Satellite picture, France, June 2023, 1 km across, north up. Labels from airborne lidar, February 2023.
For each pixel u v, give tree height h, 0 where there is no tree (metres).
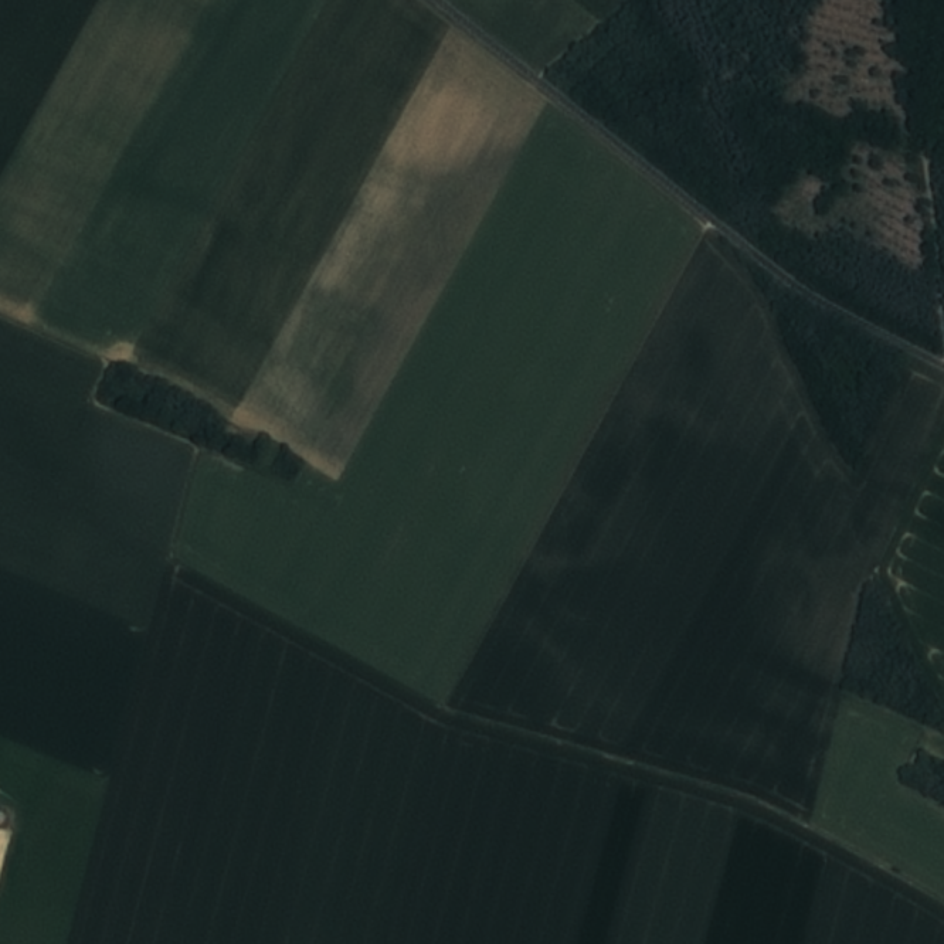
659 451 0
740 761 0
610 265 0
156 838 0
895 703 15
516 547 0
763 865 0
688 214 0
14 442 0
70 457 0
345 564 0
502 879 0
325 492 0
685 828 0
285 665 0
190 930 0
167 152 0
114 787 0
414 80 0
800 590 0
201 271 0
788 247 18
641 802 0
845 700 0
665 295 0
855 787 0
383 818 0
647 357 0
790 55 20
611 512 0
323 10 0
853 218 15
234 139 0
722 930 0
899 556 0
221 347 0
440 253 0
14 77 0
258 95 0
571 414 0
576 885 0
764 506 0
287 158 0
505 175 0
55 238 0
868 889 0
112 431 0
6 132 0
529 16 0
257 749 0
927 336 13
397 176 0
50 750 0
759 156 15
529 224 0
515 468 0
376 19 0
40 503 0
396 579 0
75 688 0
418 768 0
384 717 0
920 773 17
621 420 0
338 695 0
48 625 0
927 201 17
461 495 0
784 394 0
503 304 0
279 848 0
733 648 0
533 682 0
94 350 0
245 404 0
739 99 16
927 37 20
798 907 0
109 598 0
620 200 0
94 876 0
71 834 0
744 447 0
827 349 16
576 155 0
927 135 19
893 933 0
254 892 0
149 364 0
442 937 0
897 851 0
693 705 0
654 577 0
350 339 0
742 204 14
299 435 0
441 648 0
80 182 0
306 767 0
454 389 0
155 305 0
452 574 0
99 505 0
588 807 0
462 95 0
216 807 0
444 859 0
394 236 0
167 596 0
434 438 0
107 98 0
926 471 0
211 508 0
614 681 0
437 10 0
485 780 0
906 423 0
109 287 0
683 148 14
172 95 0
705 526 0
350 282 0
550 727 0
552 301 0
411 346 0
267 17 0
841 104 16
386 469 0
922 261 13
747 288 0
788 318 5
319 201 0
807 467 0
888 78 18
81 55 0
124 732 0
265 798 0
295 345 0
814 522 0
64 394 0
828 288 14
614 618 0
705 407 0
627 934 0
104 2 0
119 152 0
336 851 0
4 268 0
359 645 0
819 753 0
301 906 0
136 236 0
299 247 0
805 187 17
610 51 15
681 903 0
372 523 0
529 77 0
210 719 0
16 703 0
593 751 0
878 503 0
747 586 0
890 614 15
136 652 0
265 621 0
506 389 0
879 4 12
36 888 0
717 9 22
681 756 0
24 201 0
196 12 0
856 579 0
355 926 0
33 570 0
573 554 0
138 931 0
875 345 18
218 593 0
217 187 0
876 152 17
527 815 0
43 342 0
